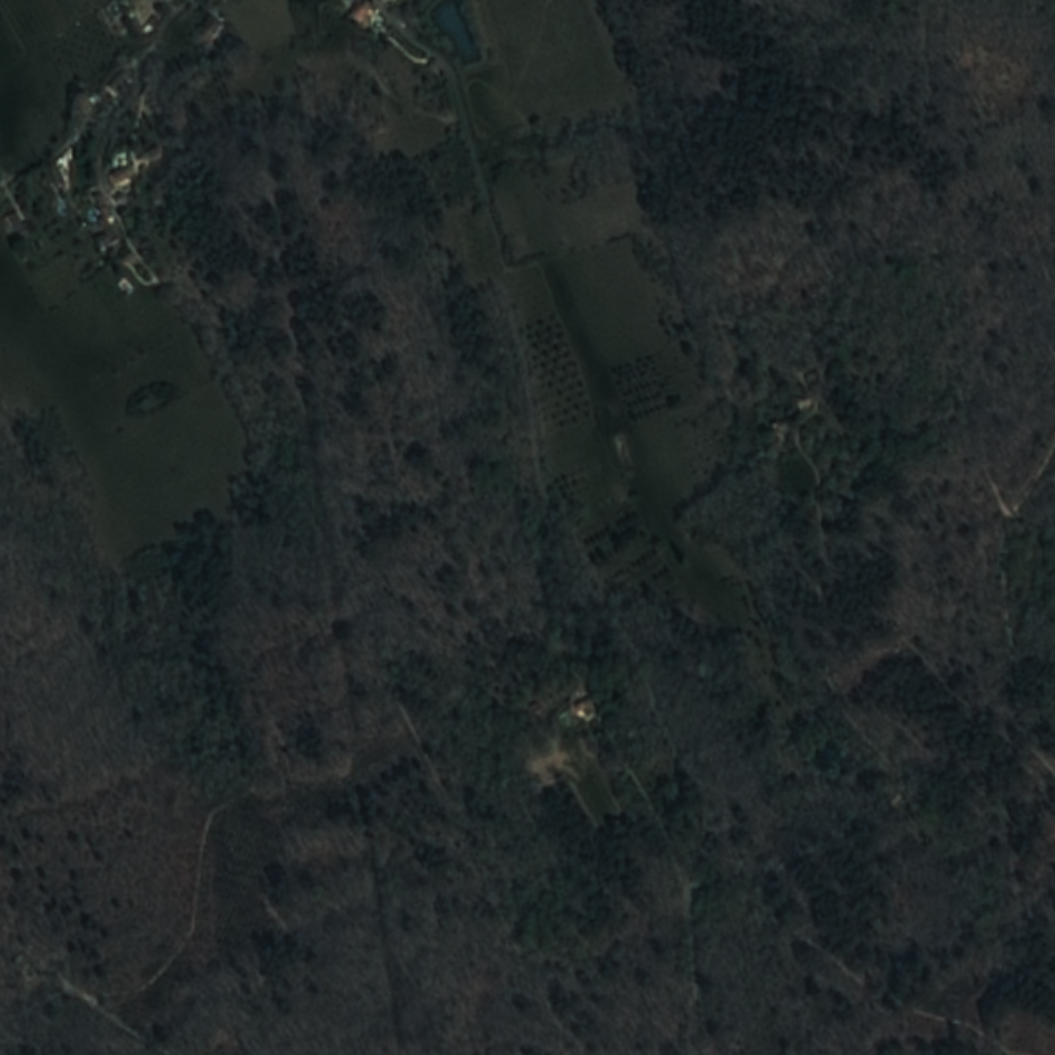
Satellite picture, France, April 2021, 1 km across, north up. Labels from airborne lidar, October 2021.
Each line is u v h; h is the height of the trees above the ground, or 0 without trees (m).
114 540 0
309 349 19
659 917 10
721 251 20
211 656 22
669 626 22
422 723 24
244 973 16
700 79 8
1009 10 13
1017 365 15
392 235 19
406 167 21
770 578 23
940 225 12
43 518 13
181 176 9
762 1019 7
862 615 22
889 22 17
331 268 6
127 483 0
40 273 10
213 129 12
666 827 9
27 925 12
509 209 0
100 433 0
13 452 12
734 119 24
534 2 0
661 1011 13
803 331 15
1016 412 16
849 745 20
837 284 14
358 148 21
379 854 16
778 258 20
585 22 0
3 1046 21
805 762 20
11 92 0
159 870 7
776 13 10
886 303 14
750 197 23
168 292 12
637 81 17
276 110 6
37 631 10
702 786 19
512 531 15
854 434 16
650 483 0
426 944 15
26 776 15
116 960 7
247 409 16
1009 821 8
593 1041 20
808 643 17
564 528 24
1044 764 11
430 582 15
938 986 20
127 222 13
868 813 21
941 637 13
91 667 18
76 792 13
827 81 13
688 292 20
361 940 20
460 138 13
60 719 18
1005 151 15
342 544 17
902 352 7
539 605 18
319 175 17
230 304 16
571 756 0
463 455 15
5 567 14
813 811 19
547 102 0
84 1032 15
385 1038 15
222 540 21
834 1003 13
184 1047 18
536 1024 13
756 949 12
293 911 19
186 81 19
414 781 23
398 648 19
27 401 0
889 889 12
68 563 19
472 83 0
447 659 12
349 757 18
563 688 19
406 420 6
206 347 25
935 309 14
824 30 15
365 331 23
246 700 19
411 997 11
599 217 0
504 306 22
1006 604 9
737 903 24
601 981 18
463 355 20
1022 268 19
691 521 19
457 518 18
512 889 18
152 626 14
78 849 17
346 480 18
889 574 21
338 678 11
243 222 11
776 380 13
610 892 23
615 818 0
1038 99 16
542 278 0
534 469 12
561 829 21
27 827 7
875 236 13
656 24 12
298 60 0
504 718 21
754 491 20
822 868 18
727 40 21
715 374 19
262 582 21
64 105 0
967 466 13
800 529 29
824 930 23
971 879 24
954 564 17
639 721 14
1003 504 16
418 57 6
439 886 19
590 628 28
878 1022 16
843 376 17
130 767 18
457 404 17
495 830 26
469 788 14
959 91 14
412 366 13
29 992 16
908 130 13
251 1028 12
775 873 14
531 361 9
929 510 14
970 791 26
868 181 8
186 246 21
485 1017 12
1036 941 20
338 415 14
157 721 20
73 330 0
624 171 16
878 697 27
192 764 21
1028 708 24
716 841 13
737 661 25
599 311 0
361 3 0
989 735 22
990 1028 24
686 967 14
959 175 16
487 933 21
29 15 0
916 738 16
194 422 0
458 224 0
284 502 18
